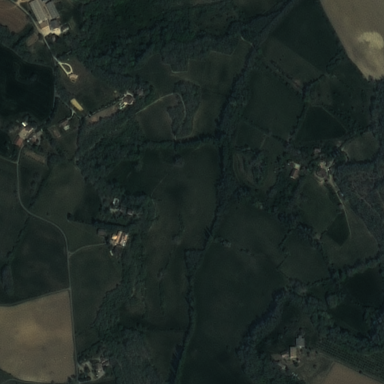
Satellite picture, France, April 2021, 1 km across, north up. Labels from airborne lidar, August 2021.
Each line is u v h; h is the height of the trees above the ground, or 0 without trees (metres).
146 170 0
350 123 7
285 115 0
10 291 18
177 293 0
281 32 0
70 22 0
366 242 0
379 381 0
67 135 0
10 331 0
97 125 15
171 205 0
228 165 11
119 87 12
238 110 16
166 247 0
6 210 0
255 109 0
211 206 0
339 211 8
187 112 16
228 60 0
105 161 19
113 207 11
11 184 0
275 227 0
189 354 0
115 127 17
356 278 0
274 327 14
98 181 18
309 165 7
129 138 12
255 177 10
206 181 0
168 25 20
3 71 0
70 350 0
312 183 0
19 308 0
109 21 8
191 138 0
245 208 0
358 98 0
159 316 0
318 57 0
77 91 0
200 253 17
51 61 0
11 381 0
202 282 0
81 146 15
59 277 0
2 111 0
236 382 0
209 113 0
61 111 0
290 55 0
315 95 21
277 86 0
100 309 13
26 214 0
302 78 0
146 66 0
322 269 0
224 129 32
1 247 0
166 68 0
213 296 0
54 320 0
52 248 0
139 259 7
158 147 15
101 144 10
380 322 25
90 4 15
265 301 0
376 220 11
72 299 0
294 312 0
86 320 0
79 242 0
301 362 0
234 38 15
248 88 14
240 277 0
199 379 0
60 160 16
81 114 15
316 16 0
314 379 0
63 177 0
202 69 0
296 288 17
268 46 0
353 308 0
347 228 0
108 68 7
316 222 0
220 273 0
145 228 22
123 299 27
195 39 16
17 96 0
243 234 0
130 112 20
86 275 0
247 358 16
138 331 10
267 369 25
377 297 0
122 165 0
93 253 0
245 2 0
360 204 16
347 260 0
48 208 0
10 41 17
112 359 17
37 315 0
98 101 0
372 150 0
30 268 0
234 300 0
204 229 0
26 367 0
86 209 0
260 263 0
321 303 23
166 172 0
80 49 20
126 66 17
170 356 0
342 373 0
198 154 0
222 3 14
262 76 0
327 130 0
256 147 0
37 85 0
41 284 0
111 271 0
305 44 0
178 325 0
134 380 22
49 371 0
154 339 0
